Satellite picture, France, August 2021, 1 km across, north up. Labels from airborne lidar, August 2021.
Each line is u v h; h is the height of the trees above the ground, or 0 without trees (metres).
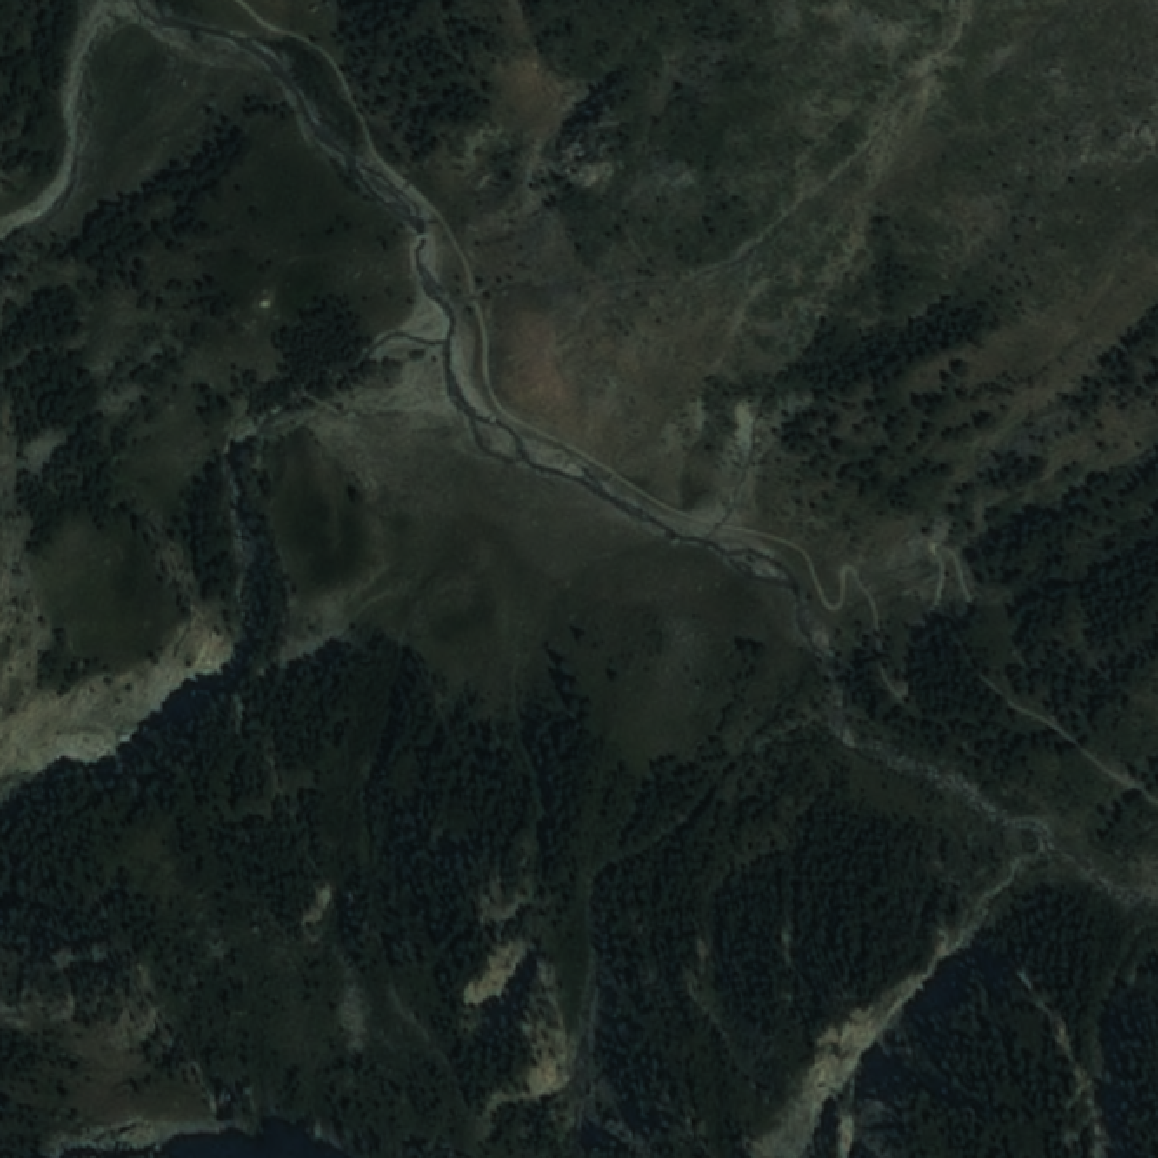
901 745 8
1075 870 0
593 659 0
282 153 0
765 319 0
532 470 0
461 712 7
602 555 0
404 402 0
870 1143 0
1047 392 0
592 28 0
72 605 0
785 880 13
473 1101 9
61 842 14
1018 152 0
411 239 0
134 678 0
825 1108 0
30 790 10
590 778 16
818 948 12
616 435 0
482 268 0
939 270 0
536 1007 13
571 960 0
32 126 10
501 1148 10
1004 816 0
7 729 0
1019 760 20
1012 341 0
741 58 0
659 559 0
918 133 0
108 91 0
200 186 9
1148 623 16
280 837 12
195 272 0
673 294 0
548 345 0
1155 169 0
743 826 10
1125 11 0
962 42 0
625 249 0
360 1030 0
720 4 6
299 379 11
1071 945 7
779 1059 0
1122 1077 10
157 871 0
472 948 14
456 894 11
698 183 0
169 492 0
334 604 0
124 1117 0
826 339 9
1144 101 0
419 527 0
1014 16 0
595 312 0
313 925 6
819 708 7
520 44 0
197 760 16
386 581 0
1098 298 0
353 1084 0
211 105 0
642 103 0
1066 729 11
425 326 0
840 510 0
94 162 0
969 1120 11
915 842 11
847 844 16
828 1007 7
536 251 0
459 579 0
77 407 24
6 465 0
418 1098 6
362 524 0
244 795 14
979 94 0
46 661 9
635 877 18
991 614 0
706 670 0
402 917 10
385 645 11
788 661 0
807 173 0
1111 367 19
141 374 11
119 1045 0
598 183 0
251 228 0
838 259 0
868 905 19
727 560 0
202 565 15
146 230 16
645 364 0
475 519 0
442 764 17
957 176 0
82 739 0
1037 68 0
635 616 0
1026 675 12
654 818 18
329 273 0
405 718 15
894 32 0
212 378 0
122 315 0
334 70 0
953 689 17
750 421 0
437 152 13
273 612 13
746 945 12
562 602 0
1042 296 0
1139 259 0
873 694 13
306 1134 0
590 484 0
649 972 10
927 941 6
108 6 0
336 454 0
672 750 0
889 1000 0
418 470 0
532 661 0
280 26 0
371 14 8
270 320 0
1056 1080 20
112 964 7
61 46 11
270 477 7
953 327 7
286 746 18
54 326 9
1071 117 0
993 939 12
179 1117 0
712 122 0
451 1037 8
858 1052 0
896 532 0
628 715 0
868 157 0
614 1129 0
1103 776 0
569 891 12
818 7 0
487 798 14
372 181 0
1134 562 10
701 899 7
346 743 17
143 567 0
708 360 0
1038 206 0
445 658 0
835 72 0
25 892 14
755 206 0
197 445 0
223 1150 0
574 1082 0
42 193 0
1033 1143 0
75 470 14
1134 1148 15
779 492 0
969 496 12
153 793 14
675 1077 16
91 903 18
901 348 6
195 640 0
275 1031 0
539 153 0
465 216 0
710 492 0
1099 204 0
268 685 18
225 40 0
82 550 0
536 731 12
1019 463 7
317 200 0
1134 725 0
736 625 0
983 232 0
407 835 11
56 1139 0
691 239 0
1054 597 14
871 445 0
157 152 0
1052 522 24
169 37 0
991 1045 15
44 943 7
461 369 0
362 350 8
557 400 0
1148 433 0
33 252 6
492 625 0
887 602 0
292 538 0
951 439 12
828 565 0
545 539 0
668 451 0
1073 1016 16
